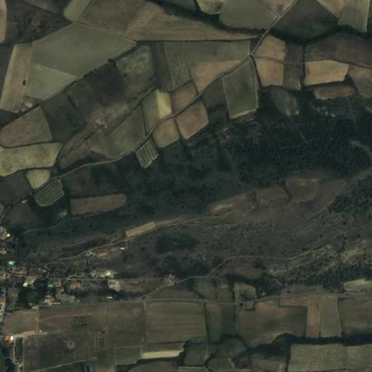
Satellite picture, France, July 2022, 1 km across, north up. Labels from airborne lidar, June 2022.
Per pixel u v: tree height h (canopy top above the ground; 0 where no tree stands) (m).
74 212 0
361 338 6
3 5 0
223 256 0
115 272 0
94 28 0
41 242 0
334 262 0
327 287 11
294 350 0
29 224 0
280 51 0
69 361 0
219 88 0
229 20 0
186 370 0
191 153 0
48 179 0
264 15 0
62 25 0
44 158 0
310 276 9
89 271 15
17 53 0
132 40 0
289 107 0
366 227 0
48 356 0
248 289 0
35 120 0
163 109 0
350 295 0
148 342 0
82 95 0
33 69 0
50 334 0
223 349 0
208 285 0
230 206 0
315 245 0
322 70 0
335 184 0
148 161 0
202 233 0
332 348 0
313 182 0
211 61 0
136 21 0
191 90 0
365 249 6
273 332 0
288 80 0
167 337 0
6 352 19
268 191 0
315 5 0
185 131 0
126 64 0
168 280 0
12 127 0
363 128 10
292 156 12
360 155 8
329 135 10
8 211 0
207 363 6
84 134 0
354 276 10
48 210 8
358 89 6
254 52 0
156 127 0
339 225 0
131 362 0
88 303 0
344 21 0
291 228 0
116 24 0
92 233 0
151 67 0
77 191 0
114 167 0
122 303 0
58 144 0
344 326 0
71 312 0
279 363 0
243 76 0
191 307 0
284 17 0
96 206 0
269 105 6
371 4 0
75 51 0
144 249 12
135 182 0
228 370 0
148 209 6
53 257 0
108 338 0
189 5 0
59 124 0
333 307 0
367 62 0
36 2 0
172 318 0
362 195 10
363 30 0
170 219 0
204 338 0
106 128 0
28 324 0
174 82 0
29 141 0
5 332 0
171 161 0
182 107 0
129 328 0
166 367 0
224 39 7
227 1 0
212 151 0
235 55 0
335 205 12
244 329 0
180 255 0
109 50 0
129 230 0
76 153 0
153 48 0
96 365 0
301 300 0
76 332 0
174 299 0
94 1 0
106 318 0
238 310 0
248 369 0
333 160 8
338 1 0
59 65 0
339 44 0
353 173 10
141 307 0
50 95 0
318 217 0
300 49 0
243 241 0
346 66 0
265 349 8
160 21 0
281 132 7
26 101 0
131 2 0
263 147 7
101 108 0
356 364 0
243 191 0
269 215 0
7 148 0
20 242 7
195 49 0
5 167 0
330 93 0
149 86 0
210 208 0
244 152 6
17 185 0
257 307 0
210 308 0
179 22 0
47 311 0
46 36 0
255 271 0
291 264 0
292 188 0
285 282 11
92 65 0
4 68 0
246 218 0
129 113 0
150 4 0
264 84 0
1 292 9
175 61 0
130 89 0
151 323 0
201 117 0
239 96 0
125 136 0
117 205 0
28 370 0
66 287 12
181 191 5
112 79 0
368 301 0
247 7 0
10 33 0
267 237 0
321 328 0
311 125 9
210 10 0
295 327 0
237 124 6
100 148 0
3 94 0
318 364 0
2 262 8
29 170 0
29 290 7
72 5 0
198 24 0
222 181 0
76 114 0
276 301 0
